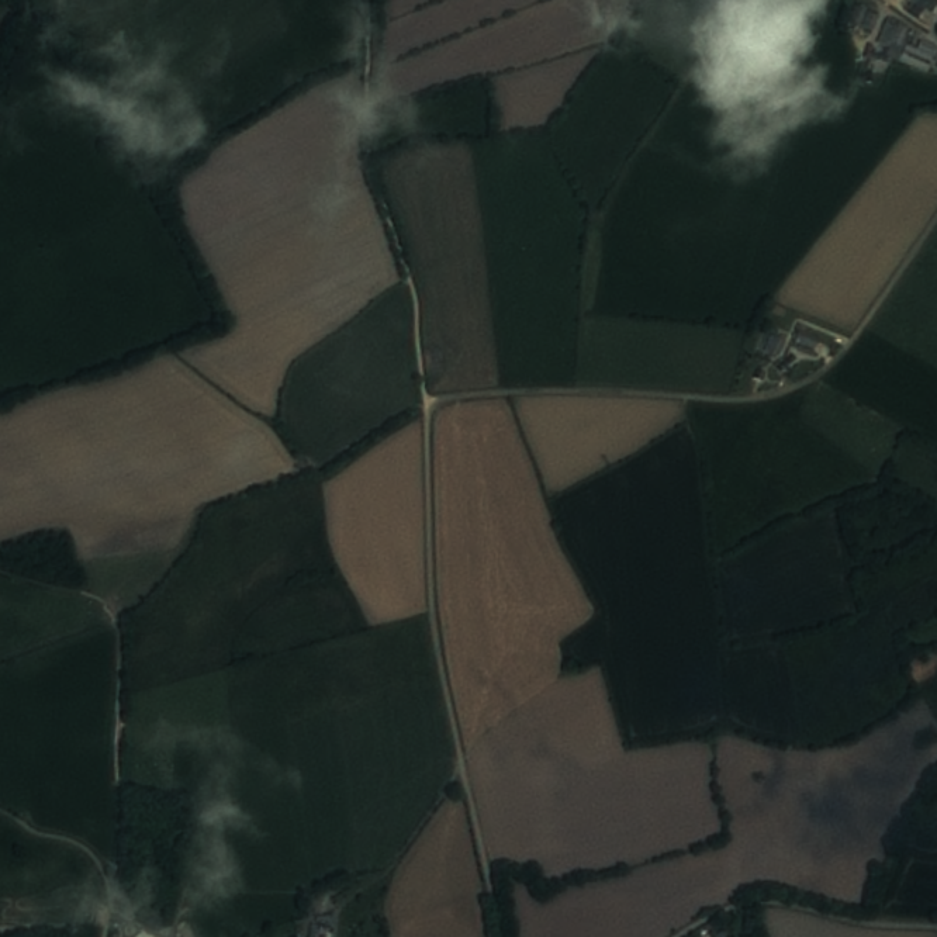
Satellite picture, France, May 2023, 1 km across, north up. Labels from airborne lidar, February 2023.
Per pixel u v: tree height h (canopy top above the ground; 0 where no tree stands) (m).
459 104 0
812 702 0
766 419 0
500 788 0
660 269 0
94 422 0
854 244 0
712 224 0
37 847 0
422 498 0
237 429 0
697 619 0
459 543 0
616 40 14
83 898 0
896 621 0
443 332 0
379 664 0
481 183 0
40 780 0
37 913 0
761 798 0
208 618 0
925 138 0
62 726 0
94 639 0
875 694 0
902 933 0
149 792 14
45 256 0
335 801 0
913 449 0
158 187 15
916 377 0
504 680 0
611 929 0
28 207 0
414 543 0
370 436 8
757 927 13
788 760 0
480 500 0
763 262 0
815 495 0
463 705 0
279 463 0
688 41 0
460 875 0
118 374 11
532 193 0
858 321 0
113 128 16
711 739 9
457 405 0
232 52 0
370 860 0
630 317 7
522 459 0
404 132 0
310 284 0
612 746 0
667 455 0
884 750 0
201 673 0
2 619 0
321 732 0
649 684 0
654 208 0
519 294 0
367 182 12
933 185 0
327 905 0
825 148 0
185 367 0
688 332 0
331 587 0
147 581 0
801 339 0
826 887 0
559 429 0
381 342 0
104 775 0
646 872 0
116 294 0
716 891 0
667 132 0
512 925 19
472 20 0
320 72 7
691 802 0
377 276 0
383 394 0
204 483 0
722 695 0
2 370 0
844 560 0
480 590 0
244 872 0
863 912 14
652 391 0
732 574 0
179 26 0
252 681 0
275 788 0
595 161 0
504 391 0
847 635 0
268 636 0
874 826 0
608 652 0
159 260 0
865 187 0
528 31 0
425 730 0
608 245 0
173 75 0
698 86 0
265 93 0
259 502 0
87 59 11
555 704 0
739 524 0
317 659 0
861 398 0
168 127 0
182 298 0
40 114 0
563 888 12
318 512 0
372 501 0
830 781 0
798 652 0
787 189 0
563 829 0
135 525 0
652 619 0
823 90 0
